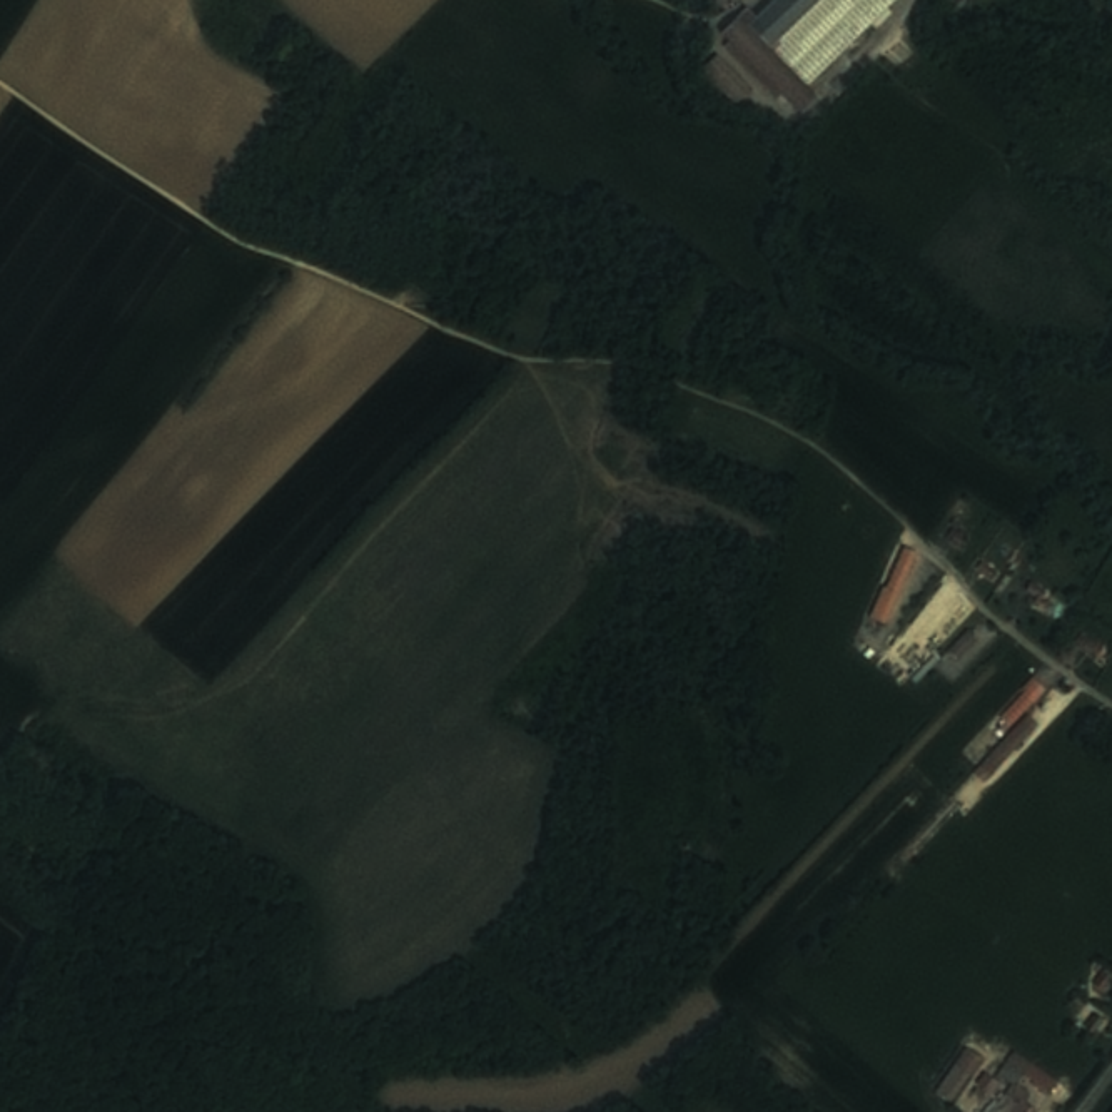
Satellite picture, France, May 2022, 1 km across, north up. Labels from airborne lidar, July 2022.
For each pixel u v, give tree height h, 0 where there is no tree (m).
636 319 25
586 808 20
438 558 0
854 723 0
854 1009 0
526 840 0
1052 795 0
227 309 0
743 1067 18
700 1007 0
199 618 0
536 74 0
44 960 20
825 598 0
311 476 0
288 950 25
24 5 0
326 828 0
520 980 8
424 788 0
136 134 0
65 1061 18
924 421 0
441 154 17
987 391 21
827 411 7
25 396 0
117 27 0
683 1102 19
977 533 0
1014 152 9
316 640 0
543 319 0
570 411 0
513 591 0
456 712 0
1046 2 23
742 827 17
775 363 16
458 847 0
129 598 0
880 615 0
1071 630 12
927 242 0
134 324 0
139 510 0
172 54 0
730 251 0
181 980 27
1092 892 0
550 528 0
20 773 23
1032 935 0
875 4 0
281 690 0
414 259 21
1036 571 0
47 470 0
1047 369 19
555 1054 20
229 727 0
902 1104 0
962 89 0
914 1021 0
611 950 12
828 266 24
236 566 0
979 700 0
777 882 7
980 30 22
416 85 21
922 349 7
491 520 0
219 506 0
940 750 0
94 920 26
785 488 24
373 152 21
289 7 0
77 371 0
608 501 0
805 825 0
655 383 18
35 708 0
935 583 7
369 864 0
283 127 16
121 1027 20
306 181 6
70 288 0
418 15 0
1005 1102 0
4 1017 12
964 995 0
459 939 0
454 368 0
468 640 0
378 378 0
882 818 0
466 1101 0
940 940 0
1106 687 0
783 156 23
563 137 0
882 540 0
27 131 0
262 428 0
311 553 0
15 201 0
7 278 0
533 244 29
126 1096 19
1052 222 0
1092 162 0
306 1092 22
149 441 0
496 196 22
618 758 16
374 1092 24
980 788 0
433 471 0
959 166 0
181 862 25
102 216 0
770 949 0
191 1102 20
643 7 0
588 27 21
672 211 0
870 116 0
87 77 0
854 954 0
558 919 18
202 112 0
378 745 0
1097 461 17
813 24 0
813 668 0
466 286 22
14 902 18
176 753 0
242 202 23
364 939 0
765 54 0
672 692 29
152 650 0
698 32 22
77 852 25
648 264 33
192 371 0
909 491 0
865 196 0
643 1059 0
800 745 0
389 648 0
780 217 20
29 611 0
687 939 25
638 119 0
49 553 0
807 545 0
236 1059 22
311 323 0
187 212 0
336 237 21
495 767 0
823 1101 0
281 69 21
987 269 0
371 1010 14
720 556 16
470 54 0
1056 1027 0
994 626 13
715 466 21
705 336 14
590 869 19
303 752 0
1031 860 0
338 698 0
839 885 0
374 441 0
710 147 0
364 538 0
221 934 25
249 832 0
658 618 25
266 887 27
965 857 0
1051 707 0
